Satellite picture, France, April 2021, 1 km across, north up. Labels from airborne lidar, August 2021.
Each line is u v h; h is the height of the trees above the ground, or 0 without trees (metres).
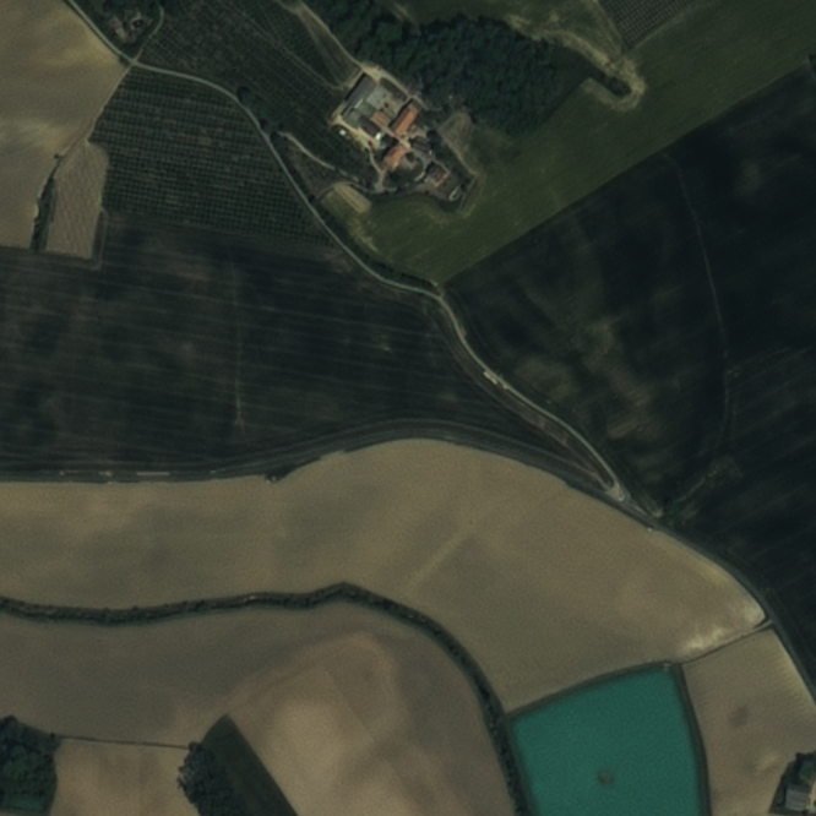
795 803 0
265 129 18
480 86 23
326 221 16
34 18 0
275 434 0
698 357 0
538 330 0
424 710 0
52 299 0
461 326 0
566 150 0
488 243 0
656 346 0
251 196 6
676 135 0
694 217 0
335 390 0
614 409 0
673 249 0
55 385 0
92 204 0
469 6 0
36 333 0
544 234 0
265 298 0
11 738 16
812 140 0
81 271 0
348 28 23
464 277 0
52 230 0
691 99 0
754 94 0
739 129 0
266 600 6
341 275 0
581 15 0
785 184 0
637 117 0
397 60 26
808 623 0
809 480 0
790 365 0
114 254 0
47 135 0
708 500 0
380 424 0
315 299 0
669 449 0
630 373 0
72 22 0
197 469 0
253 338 0
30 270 0
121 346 0
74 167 0
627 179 0
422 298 7
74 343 0
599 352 0
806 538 0
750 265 0
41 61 0
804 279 0
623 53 0
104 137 5
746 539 0
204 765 27
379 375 0
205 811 25
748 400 0
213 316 0
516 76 21
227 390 0
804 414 0
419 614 8
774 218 0
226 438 0
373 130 0
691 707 0
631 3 6
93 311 0
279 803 0
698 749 0
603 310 0
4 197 0
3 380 0
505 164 0
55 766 7
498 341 0
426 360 0
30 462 0
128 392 0
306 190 13
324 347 0
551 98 24
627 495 0
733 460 0
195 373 0
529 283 0
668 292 0
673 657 0
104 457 0
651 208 0
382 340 0
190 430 0
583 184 0
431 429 0
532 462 0
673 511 18
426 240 0
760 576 0
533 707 0
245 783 0
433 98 21
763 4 0
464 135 0
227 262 0
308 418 0
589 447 0
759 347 0
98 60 0
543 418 0
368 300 0
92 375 0
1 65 0
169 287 0
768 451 0
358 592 6
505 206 0
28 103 0
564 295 0
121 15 21
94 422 0
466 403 0
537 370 0
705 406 0
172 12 11
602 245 0
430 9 0
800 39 0
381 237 0
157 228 0
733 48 0
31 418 0
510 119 22
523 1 0
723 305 0
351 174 9
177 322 0
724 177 0
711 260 0
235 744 0
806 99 0
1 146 0
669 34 0
